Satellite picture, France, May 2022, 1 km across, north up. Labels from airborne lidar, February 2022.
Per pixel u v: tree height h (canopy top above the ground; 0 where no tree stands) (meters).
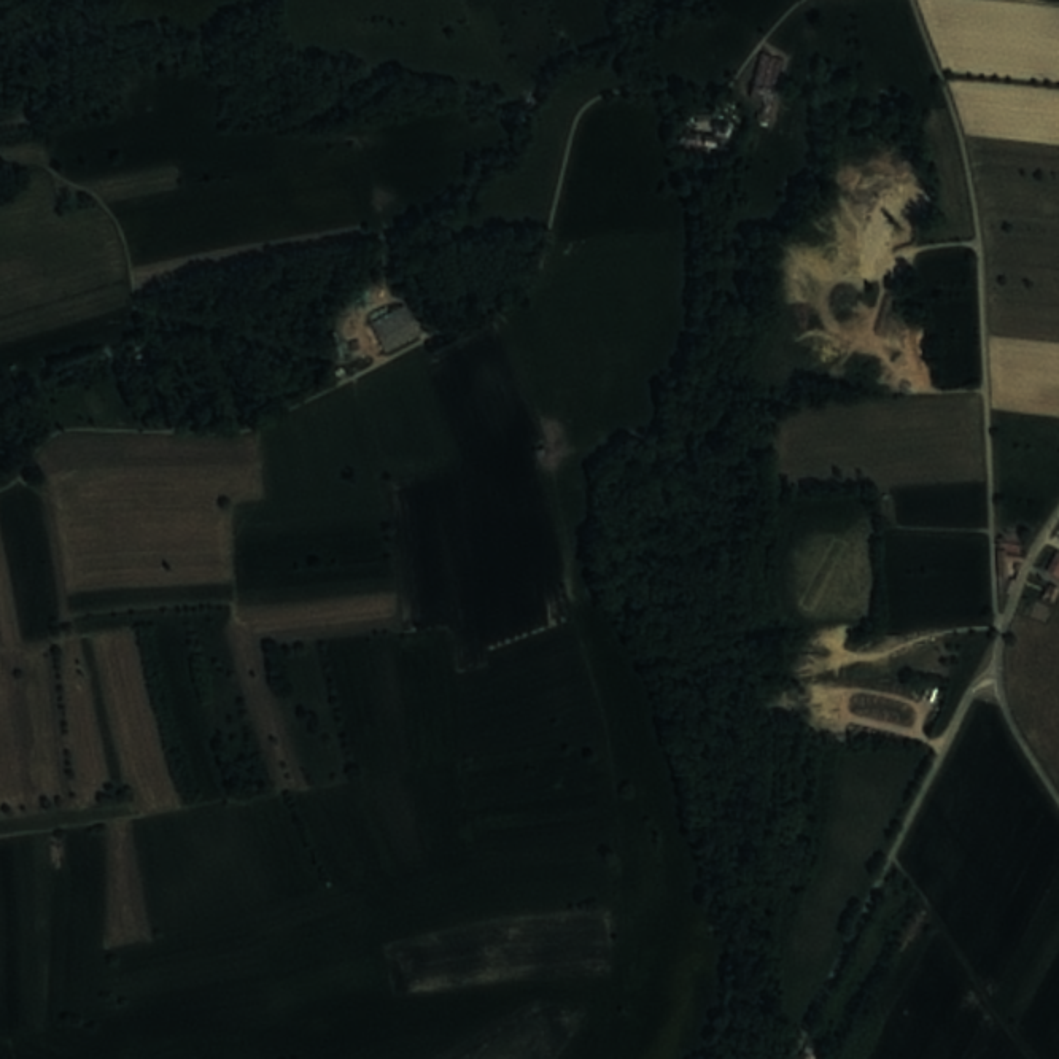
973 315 0
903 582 0
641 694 0
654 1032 0
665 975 0
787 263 0
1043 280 0
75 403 0
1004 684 0
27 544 0
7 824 0
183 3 0
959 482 0
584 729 0
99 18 30
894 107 20
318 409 0
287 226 0
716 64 0
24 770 0
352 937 0
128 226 0
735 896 26
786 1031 22
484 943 0
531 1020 0
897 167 0
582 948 0
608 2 0
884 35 0
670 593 24
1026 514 0
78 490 0
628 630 21
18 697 0
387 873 0
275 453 0
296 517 0
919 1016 0
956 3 0
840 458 0
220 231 0
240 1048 0
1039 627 0
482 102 16
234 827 0
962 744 0
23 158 0
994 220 0
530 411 0
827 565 0
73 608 0
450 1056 0
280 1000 0
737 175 11
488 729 0
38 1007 0
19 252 0
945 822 0
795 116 0
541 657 0
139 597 0
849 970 14
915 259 0
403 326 0
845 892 0
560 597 0
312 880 0
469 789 0
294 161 0
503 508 0
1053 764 0
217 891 0
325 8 0
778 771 16
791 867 24
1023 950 0
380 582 0
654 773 0
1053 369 0
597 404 0
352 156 0
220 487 0
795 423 0
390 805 0
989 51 0
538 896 0
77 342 0
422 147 0
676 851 0
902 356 0
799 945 0
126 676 0
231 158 0
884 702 0
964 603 0
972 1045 0
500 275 26
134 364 6
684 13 20
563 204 0
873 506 14
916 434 0
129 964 0
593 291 0
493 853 0
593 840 0
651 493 24
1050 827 0
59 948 0
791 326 0
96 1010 0
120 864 0
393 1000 0
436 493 0
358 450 0
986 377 0
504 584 0
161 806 0
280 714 0
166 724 7
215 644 0
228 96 14
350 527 0
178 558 0
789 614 0
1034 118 0
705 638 23
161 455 0
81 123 16
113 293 0
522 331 0
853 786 0
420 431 0
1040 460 0
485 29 0
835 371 0
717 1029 16
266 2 13
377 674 0
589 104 0
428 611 0
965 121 0
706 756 20
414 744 0
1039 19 0
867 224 0
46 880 0
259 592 0
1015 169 0
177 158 0
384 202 0
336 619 0
